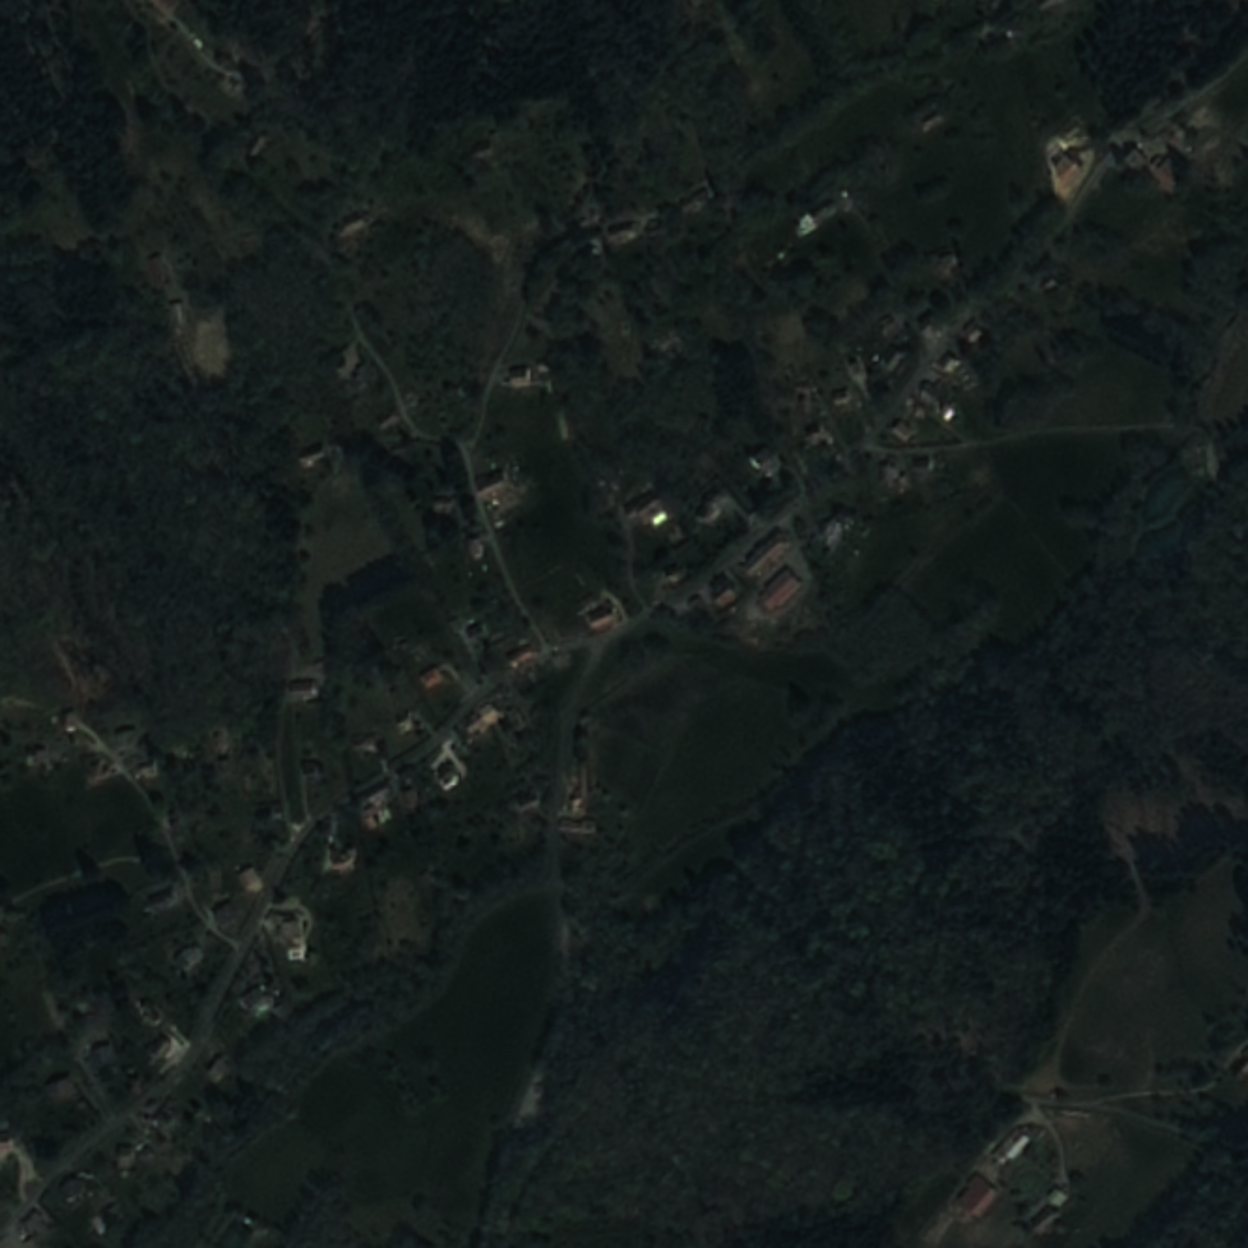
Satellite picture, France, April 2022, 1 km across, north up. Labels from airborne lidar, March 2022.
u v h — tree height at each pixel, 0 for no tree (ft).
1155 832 0
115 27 39
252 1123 80
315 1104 0
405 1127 0
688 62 77
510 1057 0
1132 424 0
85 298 82
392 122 100
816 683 0
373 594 97
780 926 81
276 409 90
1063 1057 0
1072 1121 0
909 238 0
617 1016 63
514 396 0
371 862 31
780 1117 83
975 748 94
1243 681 113
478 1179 0
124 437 84
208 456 108
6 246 27
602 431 0
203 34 0
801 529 23
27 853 0
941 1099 88
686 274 55
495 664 41
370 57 89
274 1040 75
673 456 77
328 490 0
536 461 0
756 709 0
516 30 86
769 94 0
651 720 0
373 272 40
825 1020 77
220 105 0
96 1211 0
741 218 54
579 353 66
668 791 0
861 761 88
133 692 81
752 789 0
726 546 17
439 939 36
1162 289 0
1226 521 54
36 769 0
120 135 47
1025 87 0
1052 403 72
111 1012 83
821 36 63
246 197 72
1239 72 0
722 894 86
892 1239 62
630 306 34
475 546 0
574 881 66
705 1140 76
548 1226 61
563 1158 51
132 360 103
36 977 0
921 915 80
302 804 0
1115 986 0
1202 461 0
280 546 74
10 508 78
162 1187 36
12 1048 0
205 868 47
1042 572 0
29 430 79
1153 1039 0
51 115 113
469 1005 0
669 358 43
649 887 0
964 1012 91
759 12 68
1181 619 86
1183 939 0
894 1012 76
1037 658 54
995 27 35
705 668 0
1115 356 0
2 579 73
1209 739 93
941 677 70
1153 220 0
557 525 0
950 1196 0
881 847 79
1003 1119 81
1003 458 0
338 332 56
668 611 37
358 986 30
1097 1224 0
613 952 76
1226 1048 56
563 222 21
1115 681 64
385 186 69
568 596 0
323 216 77
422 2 100
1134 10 105
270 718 83
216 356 0
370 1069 25
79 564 71
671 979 75
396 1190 0
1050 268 70
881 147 59
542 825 44
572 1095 71
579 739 41
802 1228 53
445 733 0
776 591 0
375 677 46
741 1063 81
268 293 71
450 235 28
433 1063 57
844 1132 104
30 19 57
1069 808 89
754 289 52
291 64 73
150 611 87
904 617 64
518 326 0
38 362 95
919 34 58
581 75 57
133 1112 0
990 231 0
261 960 22
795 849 86
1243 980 0
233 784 0
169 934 21
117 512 80
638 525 0
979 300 34
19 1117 58
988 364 45
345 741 49
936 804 87
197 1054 0
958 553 0
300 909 0
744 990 87
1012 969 88
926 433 0
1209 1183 68
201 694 85
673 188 60
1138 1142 0
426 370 20
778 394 66
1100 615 53
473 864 0
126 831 0
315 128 61
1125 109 46
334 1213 76
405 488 22
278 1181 0
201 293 77
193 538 86
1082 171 0
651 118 75
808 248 0
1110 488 0
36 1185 0
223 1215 22
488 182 47
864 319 59
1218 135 0
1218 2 31
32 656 82
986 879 71
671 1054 72
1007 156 0
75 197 77
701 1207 80
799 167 25
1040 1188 0
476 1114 0
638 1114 33
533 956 0
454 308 43
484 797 0
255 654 104
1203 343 77
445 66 89
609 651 0
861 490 0
